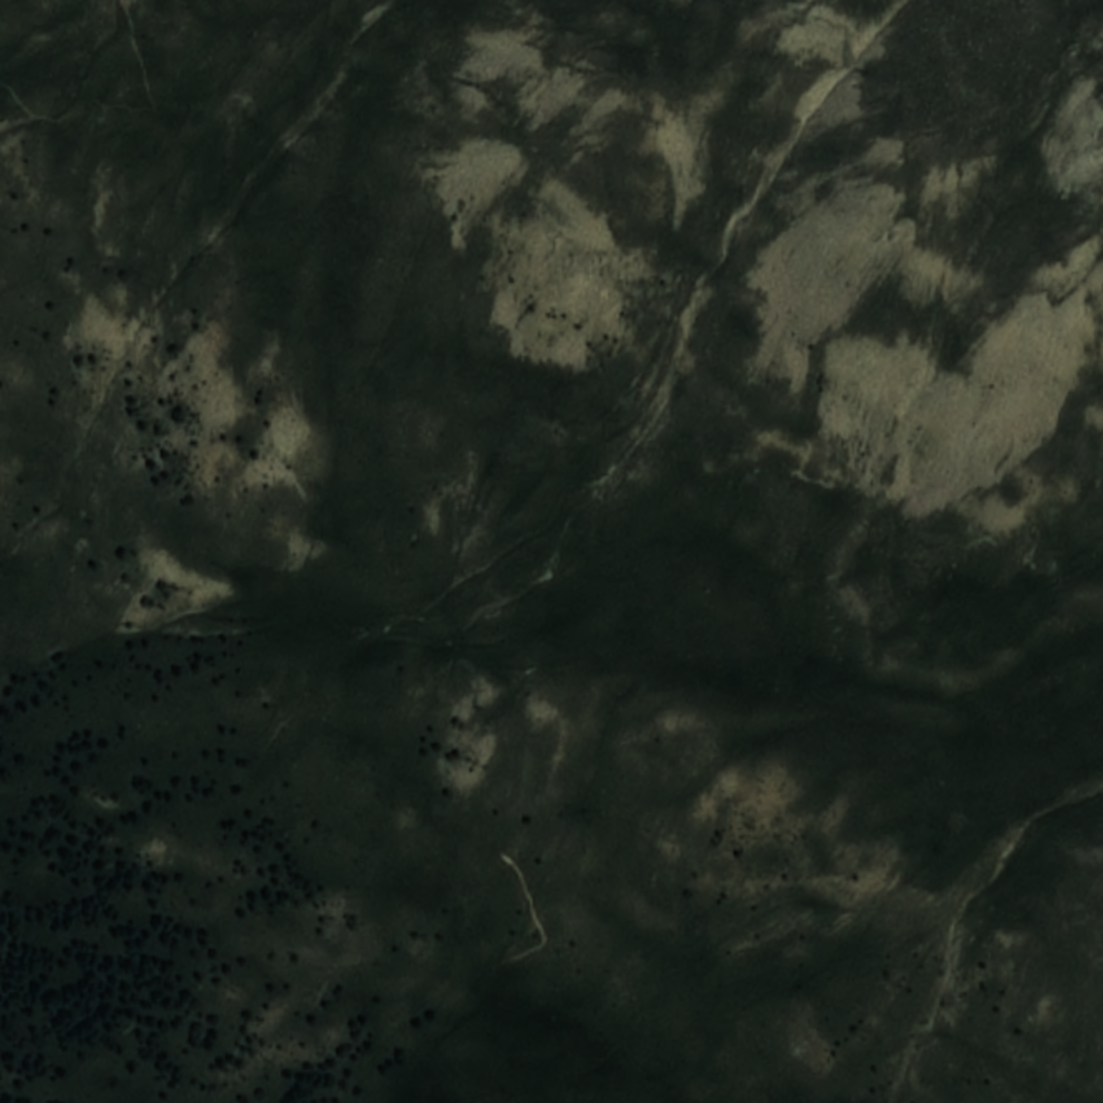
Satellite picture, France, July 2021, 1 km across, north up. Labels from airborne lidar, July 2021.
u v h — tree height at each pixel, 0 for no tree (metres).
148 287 0
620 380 0
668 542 0
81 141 0
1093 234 0
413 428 0
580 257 0
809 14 0
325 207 0
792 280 0
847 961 0
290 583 0
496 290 0
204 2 0
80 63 0
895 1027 0
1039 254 0
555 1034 0
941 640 0
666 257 0
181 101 0
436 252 0
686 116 0
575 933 0
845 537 0
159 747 0
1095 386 0
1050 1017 0
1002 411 0
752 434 0
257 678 0
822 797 0
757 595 0
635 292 0
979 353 0
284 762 0
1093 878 0
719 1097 0
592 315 0
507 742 0
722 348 0
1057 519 0
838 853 0
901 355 0
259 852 9
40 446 0
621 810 0
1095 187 0
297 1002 0
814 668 0
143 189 0
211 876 0
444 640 0
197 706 0
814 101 0
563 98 0
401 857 0
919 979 0
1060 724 0
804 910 0
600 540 0
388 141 0
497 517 0
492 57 0
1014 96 0
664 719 0
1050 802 0
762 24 0
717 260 0
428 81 0
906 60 0
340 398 0
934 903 0
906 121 0
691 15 0
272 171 0
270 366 0
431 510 0
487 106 0
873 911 0
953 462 0
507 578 0
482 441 0
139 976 17
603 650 0
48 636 0
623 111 0
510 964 0
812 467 0
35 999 17
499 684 0
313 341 0
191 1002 13
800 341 0
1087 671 0
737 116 0
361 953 0
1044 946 0
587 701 0
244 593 0
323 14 0
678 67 0
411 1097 0
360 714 0
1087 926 0
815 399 0
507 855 0
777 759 0
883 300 0
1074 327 0
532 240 0
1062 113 0
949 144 0
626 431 0
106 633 0
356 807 0
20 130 0
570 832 0
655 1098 0
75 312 0
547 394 0
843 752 0
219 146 0
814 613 0
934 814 0
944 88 0
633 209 0
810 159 0
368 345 0
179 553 0
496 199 0
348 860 0
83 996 18
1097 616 0
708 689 0
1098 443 0
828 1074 0
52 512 0
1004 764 0
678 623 0
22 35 0
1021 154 0
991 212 0
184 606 0
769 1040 0
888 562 0
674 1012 0
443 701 0
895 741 0
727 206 0
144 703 0
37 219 0
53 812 8
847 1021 0
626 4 0
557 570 0
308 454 0
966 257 0
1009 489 0
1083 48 0
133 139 0
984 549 0
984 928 0
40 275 0
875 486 0
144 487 0
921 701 0
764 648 0
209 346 0
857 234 0
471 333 0
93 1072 0
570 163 0
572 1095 0
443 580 0
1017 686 0
